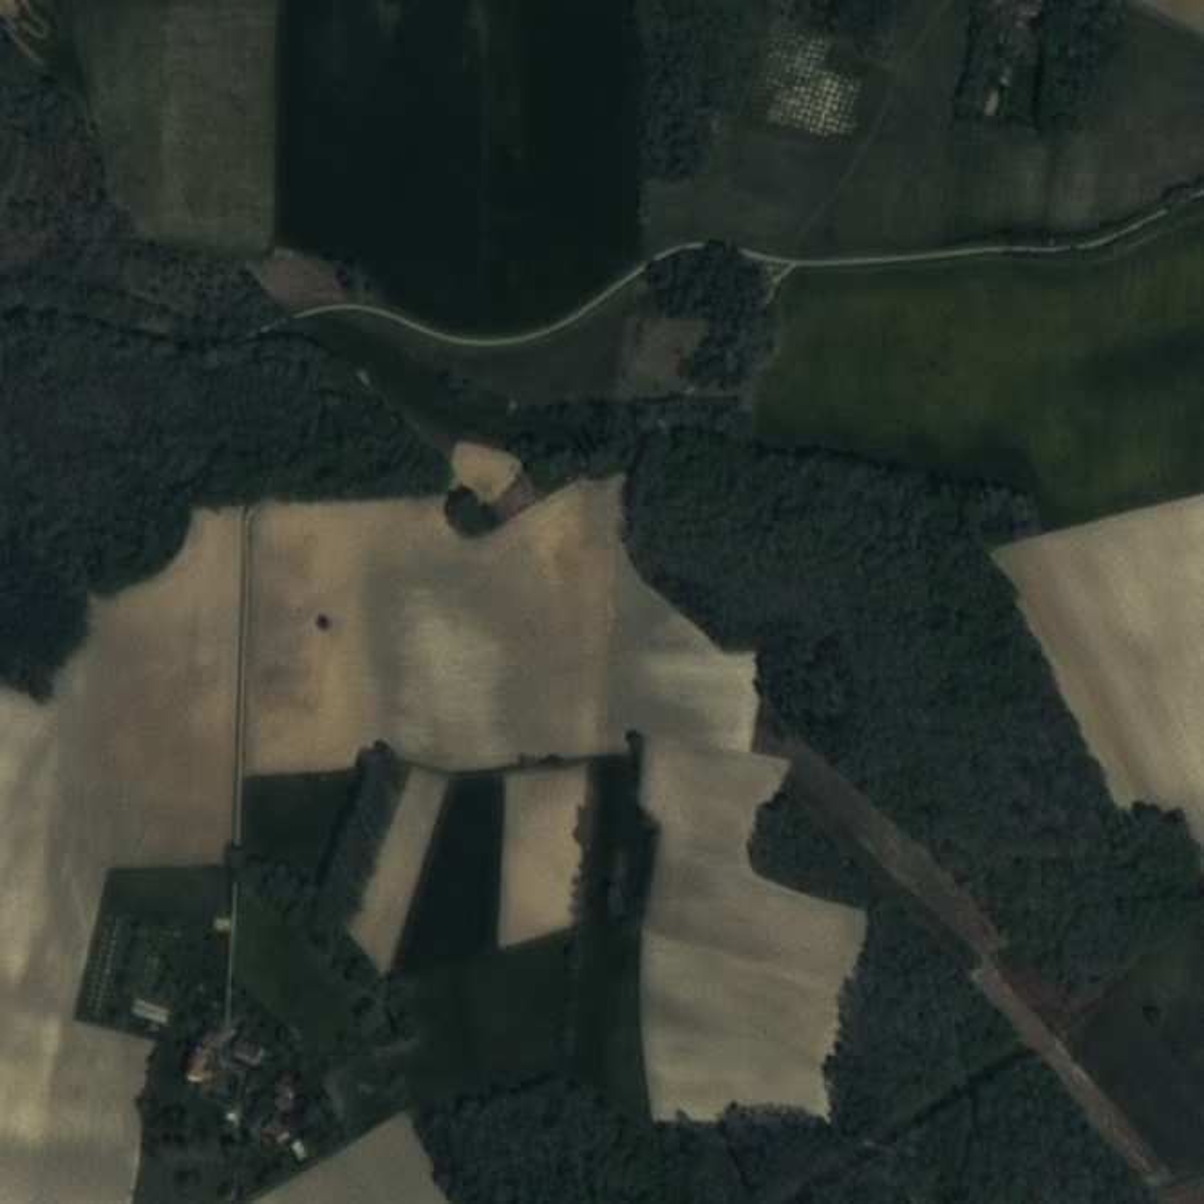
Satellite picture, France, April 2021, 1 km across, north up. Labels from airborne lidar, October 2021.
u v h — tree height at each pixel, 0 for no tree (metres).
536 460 13
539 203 0
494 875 0
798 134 0
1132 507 0
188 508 13
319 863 0
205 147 0
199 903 0
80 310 14
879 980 17
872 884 16
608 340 0
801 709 19
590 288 0
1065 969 26
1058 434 0
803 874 17
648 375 0
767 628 18
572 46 0
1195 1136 0
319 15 0
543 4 0
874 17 21
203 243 0
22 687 13
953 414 0
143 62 0
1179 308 0
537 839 0
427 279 0
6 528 15
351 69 0
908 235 0
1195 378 0
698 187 0
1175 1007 0
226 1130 18
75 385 14
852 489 22
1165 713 0
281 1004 0
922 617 18
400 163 0
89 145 12
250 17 0
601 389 0
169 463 21
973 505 17
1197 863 19
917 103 0
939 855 21
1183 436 0
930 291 0
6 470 14
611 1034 0
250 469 21
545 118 0
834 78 0
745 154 0
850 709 7
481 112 0
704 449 22
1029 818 22
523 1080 0
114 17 0
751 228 0
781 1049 0
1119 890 22
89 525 15
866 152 0
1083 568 0
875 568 23
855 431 0
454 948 0
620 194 0
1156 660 0
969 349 0
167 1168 0
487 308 0
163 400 17
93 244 15
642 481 19
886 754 23
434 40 0
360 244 0
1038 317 0
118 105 0
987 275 0
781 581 19
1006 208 0
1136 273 0
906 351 0
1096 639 0
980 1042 18
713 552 23
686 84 17
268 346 18
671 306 8
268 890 19
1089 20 19
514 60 0
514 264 0
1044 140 16
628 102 0
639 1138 16
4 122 12
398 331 0
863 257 0
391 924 0
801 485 14
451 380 12
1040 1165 23
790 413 0
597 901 0
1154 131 0
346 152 0
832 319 0
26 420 14
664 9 16
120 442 18
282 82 0
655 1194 21
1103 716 0
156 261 7
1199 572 0
